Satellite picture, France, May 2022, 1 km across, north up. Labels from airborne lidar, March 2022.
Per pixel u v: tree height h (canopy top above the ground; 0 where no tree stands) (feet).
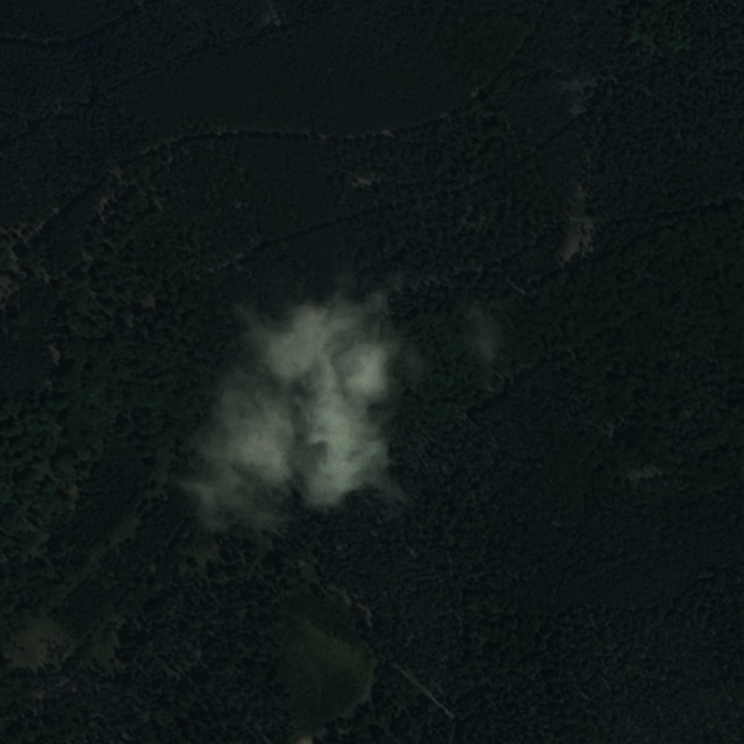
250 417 83
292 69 52
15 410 36
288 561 115
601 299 95
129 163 78
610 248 58
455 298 92
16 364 25
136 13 68
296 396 55
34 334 28
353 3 45
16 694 100
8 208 93
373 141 43
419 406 71
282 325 54
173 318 42
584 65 98
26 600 109
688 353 85
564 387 64
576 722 90
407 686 113
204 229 43
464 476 76
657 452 49
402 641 67
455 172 71
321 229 65
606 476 53
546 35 77
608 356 85
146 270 45
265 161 52
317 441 78
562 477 69
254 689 104
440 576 82
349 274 61
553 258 73
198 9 74
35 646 0
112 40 61
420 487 81
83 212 68
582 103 64
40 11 65
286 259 57
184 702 54
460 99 69
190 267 21
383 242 84
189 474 36
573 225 77
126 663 98
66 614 22
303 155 51
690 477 52
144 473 29
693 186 73
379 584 68
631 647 62
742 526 60
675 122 91
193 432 103
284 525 110
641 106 93
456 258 89
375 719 60
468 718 69
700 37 91
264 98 49
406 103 55
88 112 70
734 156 71
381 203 45
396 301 83
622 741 86
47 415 98
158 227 45
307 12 53
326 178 48
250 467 116
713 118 81
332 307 67
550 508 73
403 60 51
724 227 87
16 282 26
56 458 94
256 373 85
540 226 54
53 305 25
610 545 67
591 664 81
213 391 77
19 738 106
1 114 92
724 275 78
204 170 37
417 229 87
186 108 63
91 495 40
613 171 85
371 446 64
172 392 115
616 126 90
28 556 101
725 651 90
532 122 88
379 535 75
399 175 45
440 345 79
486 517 73
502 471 73
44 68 86
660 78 94
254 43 56
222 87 59
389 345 80
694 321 80
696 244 83
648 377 73
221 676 111
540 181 65
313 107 54
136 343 117
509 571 62
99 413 103
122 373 103
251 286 28
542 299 89
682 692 84
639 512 57
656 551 76
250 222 45
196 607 96
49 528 40
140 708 102
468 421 76
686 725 84
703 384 77
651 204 73
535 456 53
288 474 91
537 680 88
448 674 63
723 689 71
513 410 76
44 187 75
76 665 30
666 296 71
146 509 25
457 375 74
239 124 48
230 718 94
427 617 73
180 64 49
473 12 86
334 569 82
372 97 56
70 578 99
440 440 72
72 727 93
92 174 98
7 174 98
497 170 43
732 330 87
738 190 86
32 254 51
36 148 93
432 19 65
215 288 29
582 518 69
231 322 45
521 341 94
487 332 90
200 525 36
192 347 43
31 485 88
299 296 55
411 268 95
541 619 85
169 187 39
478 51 72
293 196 59
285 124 49
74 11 58
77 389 106
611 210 71
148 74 57
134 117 64
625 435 55
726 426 100
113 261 103
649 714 82
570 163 86
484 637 96
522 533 69
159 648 117
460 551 72
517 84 73
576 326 82
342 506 83
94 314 105
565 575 62
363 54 54
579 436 68
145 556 34
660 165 79
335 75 46
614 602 62
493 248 43
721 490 44
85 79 69
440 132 56
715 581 89
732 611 83
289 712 19
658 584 68
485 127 86
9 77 70
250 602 107
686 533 81
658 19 87
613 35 91
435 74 50
